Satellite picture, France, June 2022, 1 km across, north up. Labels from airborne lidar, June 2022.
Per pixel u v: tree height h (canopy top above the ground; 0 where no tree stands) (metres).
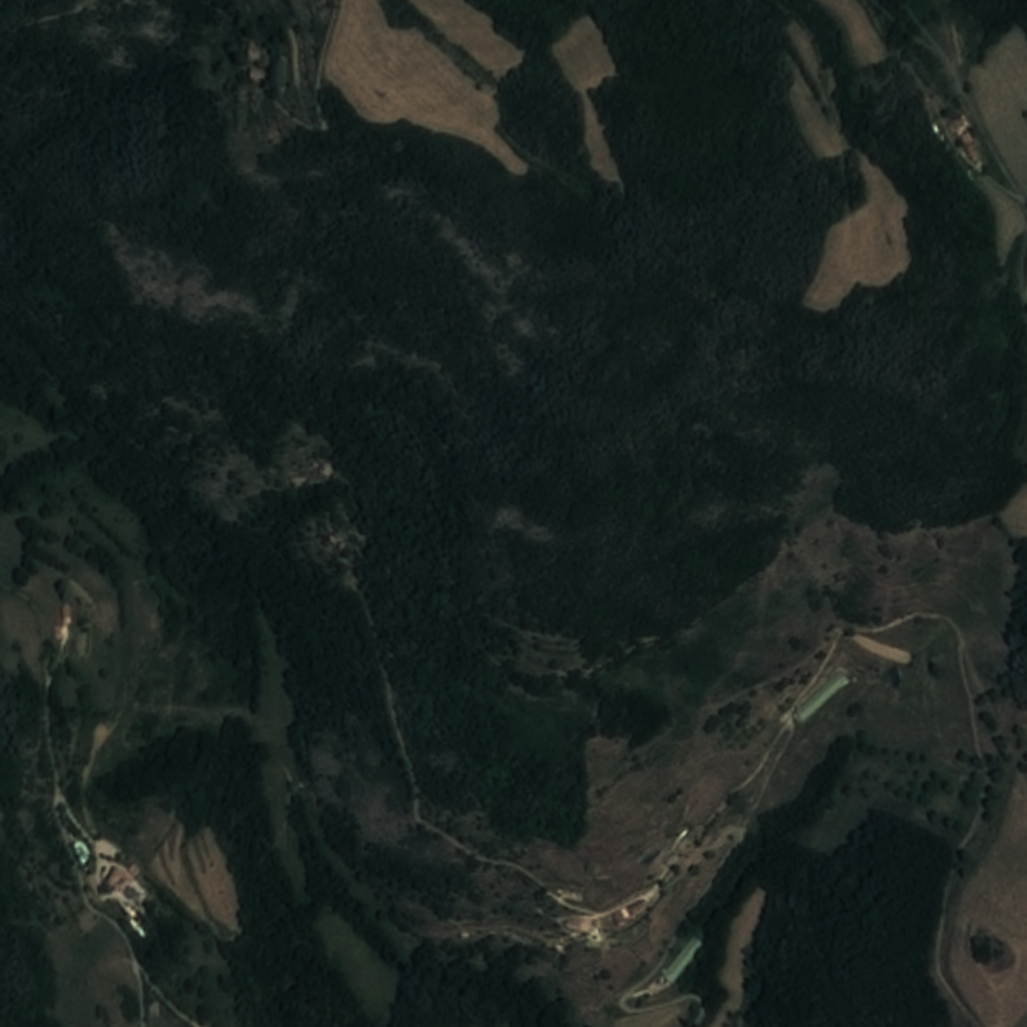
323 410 10
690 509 12
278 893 18
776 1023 15
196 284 0
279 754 0
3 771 7
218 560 21
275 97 12
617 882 0
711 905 13
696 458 10
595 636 16
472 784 8
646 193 18
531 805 17
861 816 0
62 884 7
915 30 9
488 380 11
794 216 15
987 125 0
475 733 9
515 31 12
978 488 8
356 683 16
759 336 8
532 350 11
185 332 12
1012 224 0
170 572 22
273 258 13
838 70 10
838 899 14
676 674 0
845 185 6
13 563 0
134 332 15
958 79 0
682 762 0
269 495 11
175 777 6
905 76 11
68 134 12
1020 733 12
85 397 15
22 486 15
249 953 17
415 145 8
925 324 12
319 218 12
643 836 0
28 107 13
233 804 18
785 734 0
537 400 11
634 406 13
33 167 18
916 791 7
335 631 15
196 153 12
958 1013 0
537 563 12
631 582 11
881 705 0
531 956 11
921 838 16
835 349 13
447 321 15
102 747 0
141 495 20
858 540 0
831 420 9
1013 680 13
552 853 0
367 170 6
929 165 13
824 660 11
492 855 10
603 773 0
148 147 20
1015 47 0
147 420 7
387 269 11
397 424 23
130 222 12
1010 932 0
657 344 11
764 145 17
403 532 14
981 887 0
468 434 10
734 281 11
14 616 0
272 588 19
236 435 14
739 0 15
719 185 17
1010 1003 0
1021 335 9
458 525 11
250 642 15
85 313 11
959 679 0
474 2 10
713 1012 15
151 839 0
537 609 12
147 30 0
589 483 11
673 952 8
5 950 16
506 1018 11
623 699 9
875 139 11
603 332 15
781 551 8
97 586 0
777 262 15
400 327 15
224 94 6
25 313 10
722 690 0
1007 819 0
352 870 10
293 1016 21
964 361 7
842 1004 7
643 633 11
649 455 10
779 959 18
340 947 0
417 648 14
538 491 12
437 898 9
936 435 8
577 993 0
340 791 7
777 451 10
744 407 10
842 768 8
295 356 10
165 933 8
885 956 15
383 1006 0
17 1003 18
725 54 16
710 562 14
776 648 0
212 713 0
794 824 20
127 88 23
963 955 0
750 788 0
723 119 16
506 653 9
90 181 8
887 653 0
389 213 13
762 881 14
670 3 18
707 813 0
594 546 6
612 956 0
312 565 8
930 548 0
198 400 9
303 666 18
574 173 10
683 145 19
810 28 7
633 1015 0
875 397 13
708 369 12
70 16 6
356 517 13
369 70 0
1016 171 0
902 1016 12
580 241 10
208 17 9
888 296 9
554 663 8
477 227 6
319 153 13
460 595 11
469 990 17
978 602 0
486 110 0
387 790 0
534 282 6
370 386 10
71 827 9
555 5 16
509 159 0
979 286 10
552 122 9
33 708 9
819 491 0
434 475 17
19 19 14
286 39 9
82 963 0
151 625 0
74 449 19
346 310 13
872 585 0
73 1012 0
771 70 10
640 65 19
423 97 0
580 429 12
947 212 11
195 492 7
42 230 18
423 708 12
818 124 0
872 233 0
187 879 0
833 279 0
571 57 0
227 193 13
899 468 15
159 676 0
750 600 0
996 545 0
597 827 0
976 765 15
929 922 16
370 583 10
